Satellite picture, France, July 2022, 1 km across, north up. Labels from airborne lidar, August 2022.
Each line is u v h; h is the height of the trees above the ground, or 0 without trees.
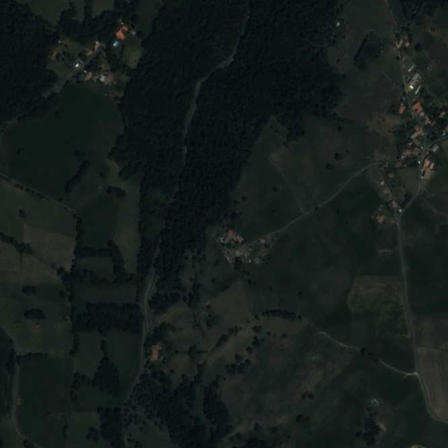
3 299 0
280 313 18
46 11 0
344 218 0
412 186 0
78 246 13
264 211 0
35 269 0
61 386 0
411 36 11
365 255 0
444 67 0
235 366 14
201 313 0
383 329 0
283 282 0
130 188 0
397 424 0
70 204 0
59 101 12
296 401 0
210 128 10
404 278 0
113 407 0
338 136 0
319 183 0
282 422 0
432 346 0
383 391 0
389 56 0
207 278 0
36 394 0
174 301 14
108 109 0
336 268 0
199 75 17
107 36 17
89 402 0
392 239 0
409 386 0
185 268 8
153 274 0
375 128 0
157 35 19
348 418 0
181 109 21
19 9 14
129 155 14
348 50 0
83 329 19
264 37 18
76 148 0
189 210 26
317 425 0
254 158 0
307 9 24
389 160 0
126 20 16
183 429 20
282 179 0
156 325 0
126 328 16
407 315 0
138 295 8
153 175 20
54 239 0
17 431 0
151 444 0
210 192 29
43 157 0
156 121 21
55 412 0
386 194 0
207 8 21
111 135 0
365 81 0
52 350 0
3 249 0
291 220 0
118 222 0
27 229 0
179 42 18
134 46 0
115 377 13
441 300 0
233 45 13
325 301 0
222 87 19
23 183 0
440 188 0
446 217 0
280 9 18
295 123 11
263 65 26
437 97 0
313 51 13
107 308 33
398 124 0
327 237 0
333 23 8
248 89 23
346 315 0
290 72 25
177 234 23
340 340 0
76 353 11
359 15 0
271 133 0
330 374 0
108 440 17
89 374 0
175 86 21
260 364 0
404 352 0
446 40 0
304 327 0
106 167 0
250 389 0
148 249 15
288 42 14
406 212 0
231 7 13
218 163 12
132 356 0
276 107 19
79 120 0
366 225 0
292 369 0
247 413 0
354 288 0
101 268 0
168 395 21
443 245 0
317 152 0
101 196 0
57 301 0
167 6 11
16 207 0
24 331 0
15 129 0
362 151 0
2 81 17
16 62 20
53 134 0
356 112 0
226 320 0
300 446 0
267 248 6
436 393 0
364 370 0
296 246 0
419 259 0
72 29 9
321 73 11
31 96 21
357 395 0
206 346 0
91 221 0
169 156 28
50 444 0
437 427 0
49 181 0
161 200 0
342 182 0
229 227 7
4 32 20
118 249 15
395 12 0
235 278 0
